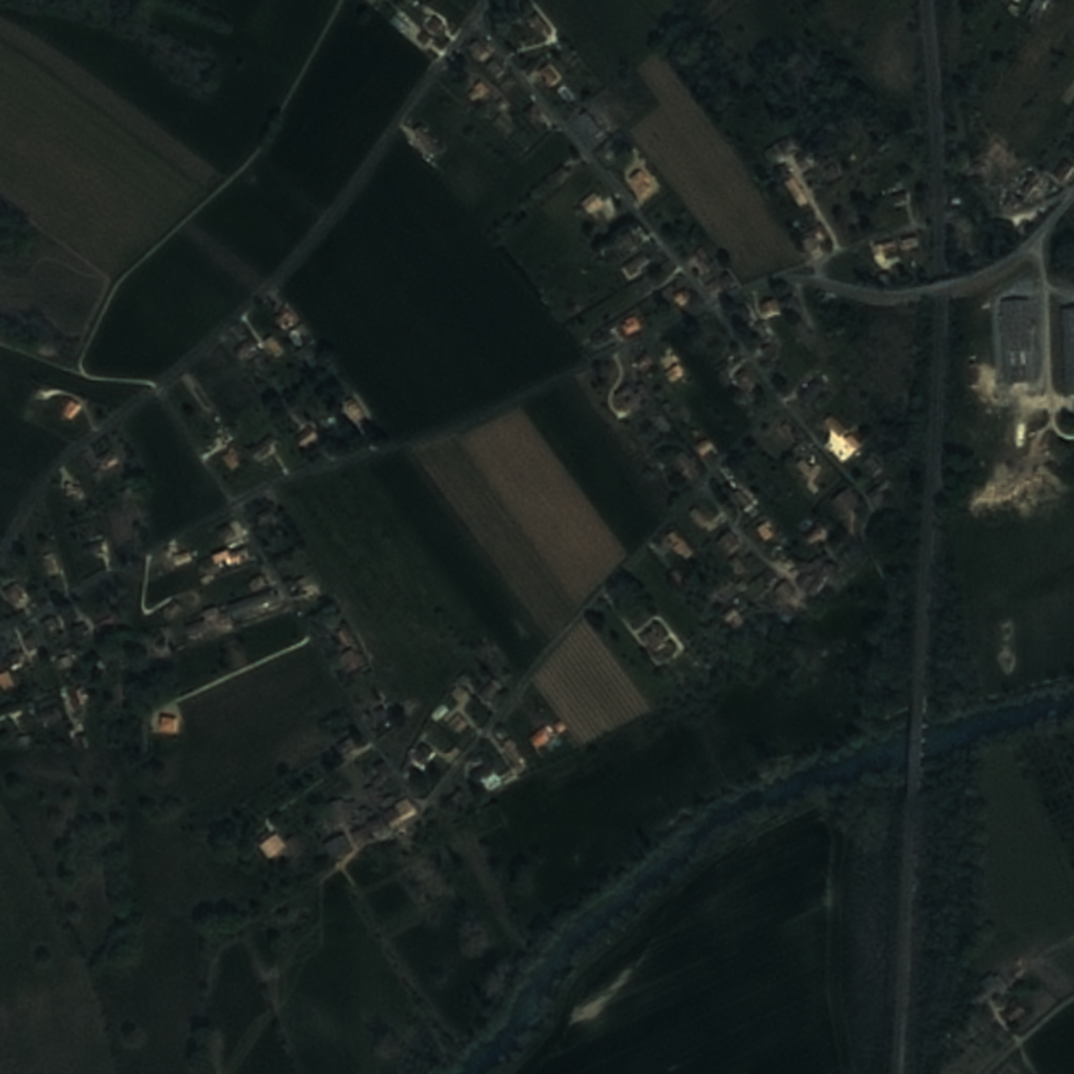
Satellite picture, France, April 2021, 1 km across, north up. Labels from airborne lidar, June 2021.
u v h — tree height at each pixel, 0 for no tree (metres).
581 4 0
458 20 0
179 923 0
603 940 12
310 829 12
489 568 0
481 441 0
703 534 0
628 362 0
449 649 0
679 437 7
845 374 6
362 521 0
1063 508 0
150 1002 0
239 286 0
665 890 12
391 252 0
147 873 0
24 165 0
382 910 0
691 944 0
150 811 13
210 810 0
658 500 0
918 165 12
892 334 0
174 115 0
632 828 0
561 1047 0
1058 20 0
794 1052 0
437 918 0
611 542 0
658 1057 0
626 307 0
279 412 22
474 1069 0
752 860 0
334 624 15
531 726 0
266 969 0
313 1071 0
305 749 0
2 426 0
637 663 8
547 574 0
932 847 17
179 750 0
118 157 0
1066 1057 0
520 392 0
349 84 0
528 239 0
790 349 0
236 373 0
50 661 9
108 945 9
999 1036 7
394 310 0
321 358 10
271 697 0
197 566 0
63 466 0
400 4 8
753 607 6
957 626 21
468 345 0
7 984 0
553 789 0
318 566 0
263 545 5
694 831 6
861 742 16
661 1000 0
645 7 0
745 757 0
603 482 0
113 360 0
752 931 0
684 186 0
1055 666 0
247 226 0
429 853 0
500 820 0
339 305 0
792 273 0
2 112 0
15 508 0
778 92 20
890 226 0
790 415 0
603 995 0
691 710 13
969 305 0
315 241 0
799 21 0
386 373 0
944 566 17
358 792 0
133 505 0
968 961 20
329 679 0
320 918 0
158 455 0
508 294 0
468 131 6
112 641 19
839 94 15
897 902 7
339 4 0
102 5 22
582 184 0
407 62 0
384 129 0
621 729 0
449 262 0
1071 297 0
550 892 0
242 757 0
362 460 0
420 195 0
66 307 0
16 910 0
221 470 0
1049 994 0
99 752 0
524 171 0
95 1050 0
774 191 19
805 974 0
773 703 0
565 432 0
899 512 8
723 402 0
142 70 0
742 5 0
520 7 13
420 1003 9
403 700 0
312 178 0
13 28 0
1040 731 14
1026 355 0
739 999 0
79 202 0
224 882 0
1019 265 0
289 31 0
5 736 8
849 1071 0
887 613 9
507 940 0
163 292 0
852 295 0
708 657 7
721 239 0
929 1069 10
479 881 0
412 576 0
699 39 23
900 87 0
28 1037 0
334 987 0
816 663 27
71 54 0
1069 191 0
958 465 16
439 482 0
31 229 20
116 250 0
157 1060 0
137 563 13
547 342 0
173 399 0
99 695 9
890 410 0
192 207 0
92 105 0
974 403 0
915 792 0
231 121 0
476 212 0
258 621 0
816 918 0
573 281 0
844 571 12
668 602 0
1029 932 0
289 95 0
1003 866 0
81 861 14
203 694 0
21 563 16
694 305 16
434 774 20
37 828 0
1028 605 0
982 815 16
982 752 13
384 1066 0
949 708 17
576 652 0
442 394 0
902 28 0
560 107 8
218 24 14
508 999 17
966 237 0
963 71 5
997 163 0
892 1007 5
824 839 0
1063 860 0
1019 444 0
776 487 0
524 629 0
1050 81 0
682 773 0
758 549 0
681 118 0
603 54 0
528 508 0
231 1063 0
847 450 0
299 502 0
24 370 0
